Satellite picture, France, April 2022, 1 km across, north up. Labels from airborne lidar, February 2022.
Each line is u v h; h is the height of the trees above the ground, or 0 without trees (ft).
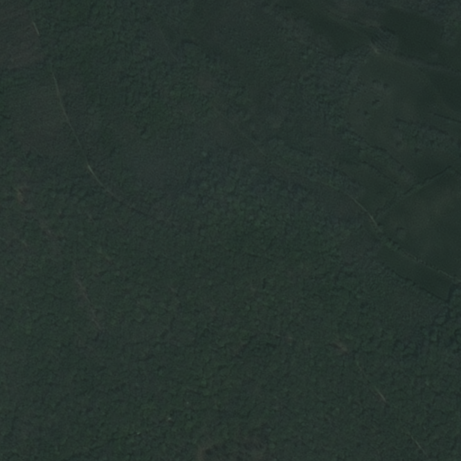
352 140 21
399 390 100
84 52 70
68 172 46
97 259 73
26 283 85
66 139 40
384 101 0
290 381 89
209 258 86
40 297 84
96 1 82
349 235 101
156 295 92
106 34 98
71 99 51
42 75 53
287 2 0
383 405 93
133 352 85
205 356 95
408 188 0
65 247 86
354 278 56
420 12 21
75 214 79
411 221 0
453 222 0
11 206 86
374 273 49
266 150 91
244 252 72
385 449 82
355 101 0
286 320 72
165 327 88
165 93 97
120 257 70
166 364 100
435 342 89
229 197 87
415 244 0
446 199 0
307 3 0
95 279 77
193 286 88
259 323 74
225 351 79
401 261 0
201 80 0
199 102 80
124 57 93
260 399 87
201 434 95
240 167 102
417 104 0
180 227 45
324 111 63
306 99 94
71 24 84
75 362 98
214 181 84
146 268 88
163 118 84
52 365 82
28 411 85
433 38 0
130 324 93
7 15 46
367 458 82
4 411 47
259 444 0
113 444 86
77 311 85
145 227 88
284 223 81
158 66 67
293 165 26
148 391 97
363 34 0
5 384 36
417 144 45
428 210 0
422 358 89
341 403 96
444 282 0
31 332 60
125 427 94
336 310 91
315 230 95
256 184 85
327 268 84
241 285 79
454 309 62
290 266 83
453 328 90
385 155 68
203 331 91
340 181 82
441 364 87
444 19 87
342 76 56
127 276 73
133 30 78
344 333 94
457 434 98
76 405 90
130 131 47
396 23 0
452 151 18
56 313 80
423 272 0
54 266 92
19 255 92
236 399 83
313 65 31
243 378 82
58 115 54
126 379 85
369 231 0
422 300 53
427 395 90
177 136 71
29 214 90
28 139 46
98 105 63
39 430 65
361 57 32
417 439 87
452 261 0
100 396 85
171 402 91
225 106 0
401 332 45
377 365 99
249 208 96
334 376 86
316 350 93
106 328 63
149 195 64
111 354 87
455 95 0
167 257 78
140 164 72
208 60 60
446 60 0
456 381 92
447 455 87
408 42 0
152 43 71
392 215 0
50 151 48
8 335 89
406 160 0
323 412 98
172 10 84
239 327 86
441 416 94
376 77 0
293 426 100
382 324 88
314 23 0
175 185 89
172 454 91
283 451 65
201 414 96
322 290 92
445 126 0
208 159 20
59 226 84
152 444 98
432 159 0
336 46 0
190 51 94
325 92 65
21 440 89
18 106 60
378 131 0
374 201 0
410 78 0
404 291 50
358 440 93
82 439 86
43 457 84
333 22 0
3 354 90
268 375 95
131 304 82
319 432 97
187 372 103
